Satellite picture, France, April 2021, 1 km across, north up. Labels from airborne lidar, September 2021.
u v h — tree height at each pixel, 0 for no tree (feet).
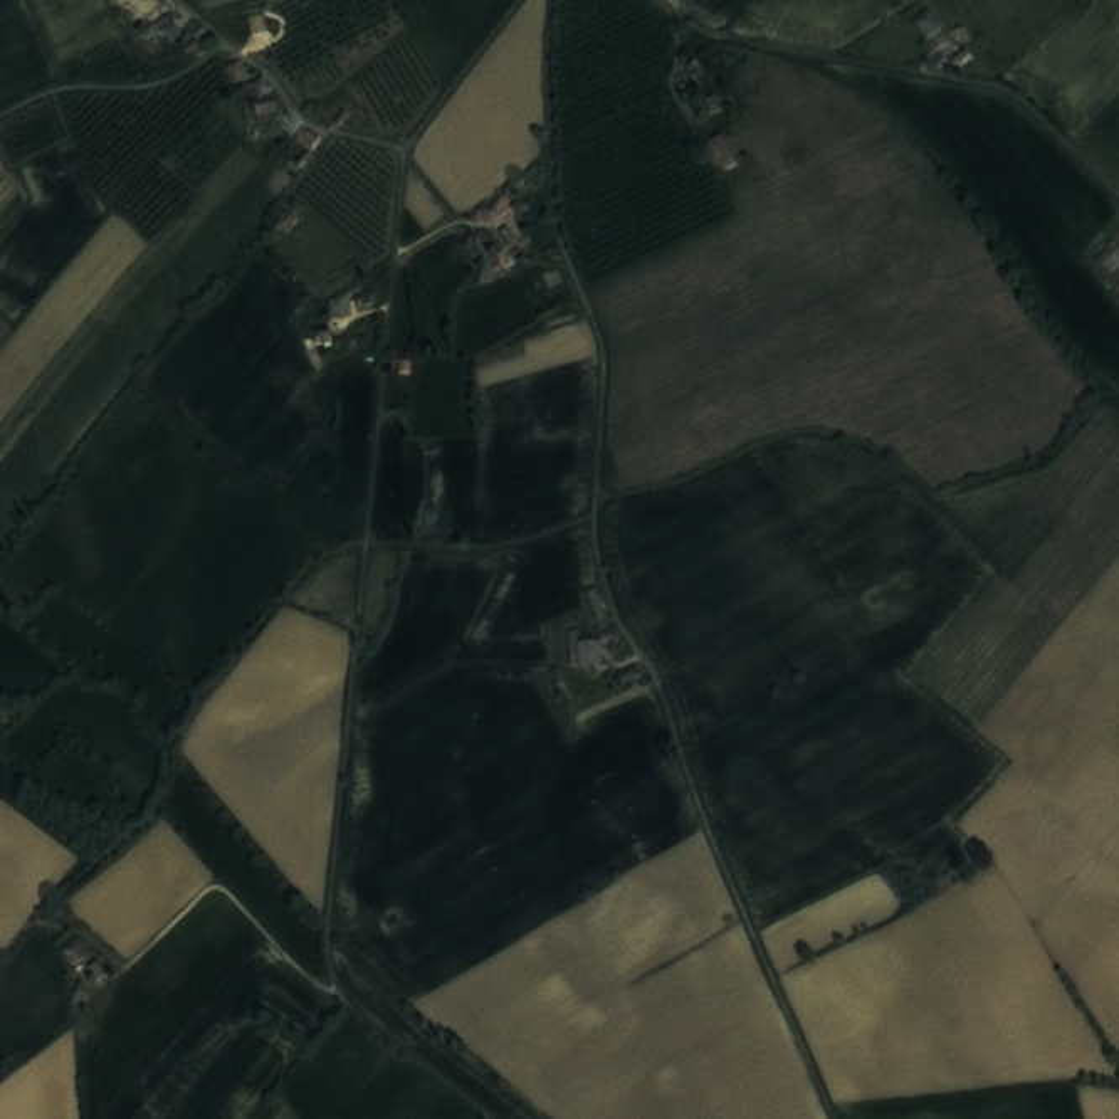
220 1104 0
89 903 0
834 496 0
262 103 0
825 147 0
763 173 0
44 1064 0
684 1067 0
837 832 0
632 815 0
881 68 0
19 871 0
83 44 0
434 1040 45
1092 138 0
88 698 0
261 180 0
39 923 34
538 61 0
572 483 0
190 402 0
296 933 0
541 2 0
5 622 47
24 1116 0
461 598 0
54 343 0
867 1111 0
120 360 0
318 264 0
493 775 0
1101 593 0
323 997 0
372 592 0
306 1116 0
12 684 0
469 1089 0
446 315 0
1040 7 0
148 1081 0
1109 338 0
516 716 0
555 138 33
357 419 0
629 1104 0
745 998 0
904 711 0
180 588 0
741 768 0
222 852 0
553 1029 0
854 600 0
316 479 0
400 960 0
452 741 0
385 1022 0
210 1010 0
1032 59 0
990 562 0
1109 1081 34
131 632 0
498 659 0
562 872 0
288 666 0
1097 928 0
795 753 0
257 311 0
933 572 0
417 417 0
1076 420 50
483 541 0
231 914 0
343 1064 0
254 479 0
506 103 0
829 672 0
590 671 27
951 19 0
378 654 47
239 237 0
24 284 0
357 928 0
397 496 0
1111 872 0
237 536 0
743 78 0
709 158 70
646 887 0
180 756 42
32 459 0
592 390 0
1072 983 31
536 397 0
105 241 0
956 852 0
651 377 0
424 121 0
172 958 0
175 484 0
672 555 0
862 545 0
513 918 0
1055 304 0
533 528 0
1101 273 0
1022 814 0
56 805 64
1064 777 0
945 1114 0
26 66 0
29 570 0
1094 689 0
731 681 0
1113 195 0
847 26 0
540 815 0
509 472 0
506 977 0
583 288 0
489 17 0
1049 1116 0
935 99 0
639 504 0
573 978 0
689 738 0
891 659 0
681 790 0
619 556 0
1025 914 0
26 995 0
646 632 0
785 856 0
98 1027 0
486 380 0
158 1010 0
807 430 0
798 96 0
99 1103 0
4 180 0
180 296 0
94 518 0
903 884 59
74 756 0
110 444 0
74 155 0
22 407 0
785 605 0
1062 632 0
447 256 0
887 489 0
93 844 52
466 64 0
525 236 29
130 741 0
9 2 0
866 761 0
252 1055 0
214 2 0
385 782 0
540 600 0
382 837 0
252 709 0
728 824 0
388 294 0
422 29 0
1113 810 0
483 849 0
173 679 34
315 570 0
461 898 0
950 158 0
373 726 0
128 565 0
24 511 0
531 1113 0
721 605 0
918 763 0
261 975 0
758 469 0
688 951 0
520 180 46
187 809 0
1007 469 0
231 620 0
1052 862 0
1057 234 0
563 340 0
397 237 0
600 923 0
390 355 35
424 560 0
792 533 0
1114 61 0
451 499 0
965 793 0
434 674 0
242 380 0
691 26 22
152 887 0
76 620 0
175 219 0
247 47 0
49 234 0
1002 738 0
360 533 0
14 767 30
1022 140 0
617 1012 0
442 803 0
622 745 0
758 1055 0
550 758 0
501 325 0
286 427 0
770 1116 0
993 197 0
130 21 0
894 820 0
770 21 0
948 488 26
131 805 0
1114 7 0
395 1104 0
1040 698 0
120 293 0
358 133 0
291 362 0
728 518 0
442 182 0
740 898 0
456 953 0
